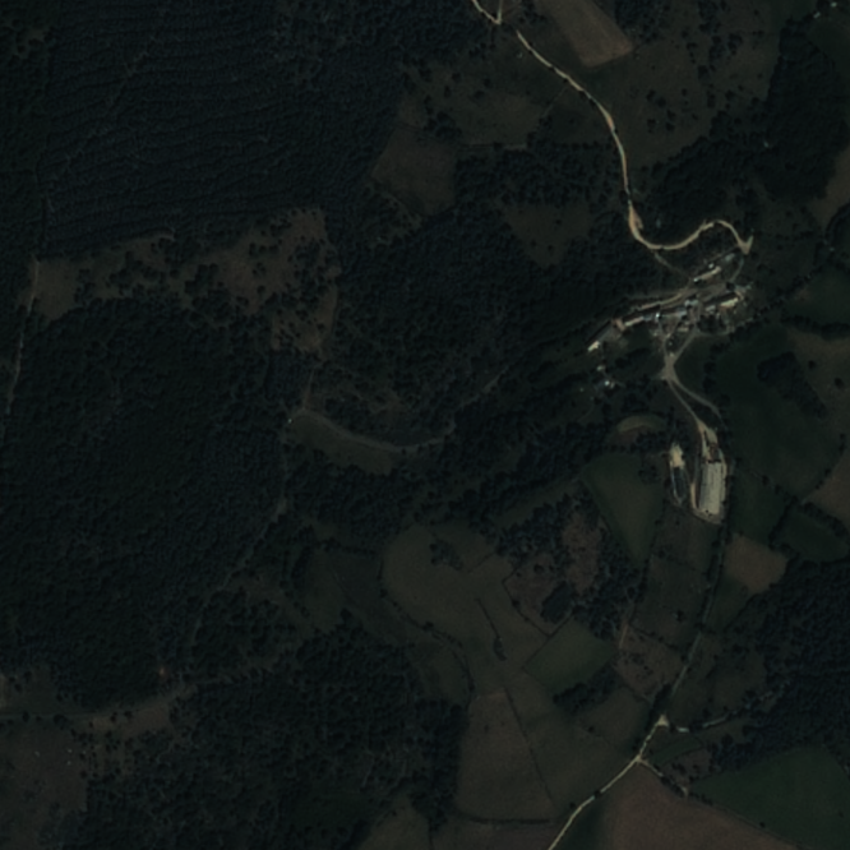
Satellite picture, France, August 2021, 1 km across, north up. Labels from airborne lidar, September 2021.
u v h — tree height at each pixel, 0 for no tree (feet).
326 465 34
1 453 48
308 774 37
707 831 0
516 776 0
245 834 37
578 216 0
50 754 0
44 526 31
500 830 0
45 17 37
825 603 46
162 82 27
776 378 62
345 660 33
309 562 52
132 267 23
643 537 0
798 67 74
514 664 0
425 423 26
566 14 0
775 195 69
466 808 0
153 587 47
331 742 29
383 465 0
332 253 21
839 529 45
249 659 20
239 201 39
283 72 36
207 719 27
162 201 28
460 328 33
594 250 28
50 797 0
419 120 0
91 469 32
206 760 19
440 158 0
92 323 61
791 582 42
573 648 0
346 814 0
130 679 35
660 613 0
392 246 23
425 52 52
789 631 48
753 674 0
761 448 0
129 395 33
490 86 40
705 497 0
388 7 47
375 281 22
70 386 30
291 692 33
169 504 25
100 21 31
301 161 27
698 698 0
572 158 30
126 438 32
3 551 43
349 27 26
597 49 0
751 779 0
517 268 58
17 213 30
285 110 32
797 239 19
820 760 0
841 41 0
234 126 31
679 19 0
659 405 0
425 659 0
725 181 52
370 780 34
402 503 39
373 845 0
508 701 0
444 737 70
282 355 42
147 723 0
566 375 0
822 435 0
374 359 38
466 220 51
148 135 34
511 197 28
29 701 0
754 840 0
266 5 34
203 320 23
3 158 53
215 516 50
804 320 39
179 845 44
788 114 59
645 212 42
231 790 39
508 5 0
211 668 37
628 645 0
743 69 0
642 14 33
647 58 0
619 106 0
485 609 0
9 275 44
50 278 0
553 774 0
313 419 0
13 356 28
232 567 46
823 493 0
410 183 0
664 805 0
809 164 73
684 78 0
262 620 35
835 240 30
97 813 31
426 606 0
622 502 0
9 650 43
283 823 30
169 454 30
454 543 0
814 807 0
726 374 0
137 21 43
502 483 48
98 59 33
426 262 52
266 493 20
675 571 0
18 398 35
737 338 54
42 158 41
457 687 0
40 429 42
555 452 46
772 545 32
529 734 0
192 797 38
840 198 0
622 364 43
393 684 48
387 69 56
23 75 40
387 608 0
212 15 46
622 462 0
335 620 0
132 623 27
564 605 23
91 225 39
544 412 45
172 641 53
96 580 27
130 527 36
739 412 0
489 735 0
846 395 0
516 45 0
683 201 49
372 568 0
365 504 64
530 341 41
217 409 38
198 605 48
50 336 43
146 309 48
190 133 37
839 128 71
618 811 0
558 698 35
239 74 41
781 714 32
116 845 35
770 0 0
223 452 56
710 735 0
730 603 0
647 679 0
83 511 22
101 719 0
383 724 43
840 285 0
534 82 0
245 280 0
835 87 78
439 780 64
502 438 46
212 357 50
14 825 0
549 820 0
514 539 47
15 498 34
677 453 0
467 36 51
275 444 65
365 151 37
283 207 34
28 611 33
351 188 62
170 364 47
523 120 0
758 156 51
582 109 0
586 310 45
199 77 35
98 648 33
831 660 20
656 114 0
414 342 31
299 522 23
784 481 0
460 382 53
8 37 38
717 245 34
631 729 0
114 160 29
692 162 64
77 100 45
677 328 0
